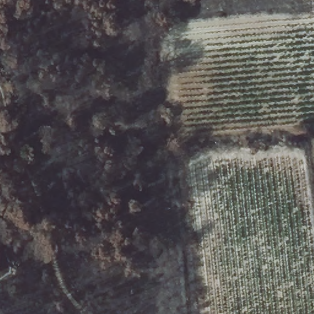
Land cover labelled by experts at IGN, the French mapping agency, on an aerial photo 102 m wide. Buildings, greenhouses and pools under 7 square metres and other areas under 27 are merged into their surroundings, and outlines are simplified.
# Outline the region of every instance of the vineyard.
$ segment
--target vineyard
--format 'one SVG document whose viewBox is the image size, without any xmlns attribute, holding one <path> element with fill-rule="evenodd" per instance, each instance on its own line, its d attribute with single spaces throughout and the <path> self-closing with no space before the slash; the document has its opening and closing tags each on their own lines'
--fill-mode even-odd
<svg viewBox="0 0 314 314">
<path fill-rule="evenodd" d="M 286 140 L 297 145 L 297 148 L 275 145 L 269 151 L 258 152 L 249 147 L 233 148 L 231 152 L 209 151 L 190 159 L 189 164 L 189 175 L 186 180 L 193 189 L 194 207 L 193 211 L 186 215 L 185 220 L 189 226 L 194 227 L 201 238 L 202 266 L 199 270 L 207 288 L 206 301 L 213 301 L 209 307 L 201 309 L 201 314 L 314 314 L 314 11 L 299 15 L 256 13 L 191 20 L 188 23 L 188 31 L 182 33 L 182 38 L 190 39 L 191 43 L 201 44 L 205 49 L 204 56 L 197 59 L 196 65 L 186 67 L 186 72 L 170 76 L 167 98 L 170 102 L 182 103 L 183 112 L 180 119 L 183 130 L 212 128 L 212 135 L 227 135 L 245 131 L 271 134 L 272 131 L 280 129 L 291 132 L 292 135 Z"/>
</svg>

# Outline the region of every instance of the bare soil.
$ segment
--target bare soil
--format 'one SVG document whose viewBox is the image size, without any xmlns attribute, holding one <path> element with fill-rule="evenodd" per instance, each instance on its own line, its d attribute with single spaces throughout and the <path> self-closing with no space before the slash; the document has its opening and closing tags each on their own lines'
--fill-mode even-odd
<svg viewBox="0 0 314 314">
<path fill-rule="evenodd" d="M 97 267 L 78 266 L 67 251 L 65 254 L 55 254 L 49 262 L 44 262 L 25 254 L 26 249 L 21 245 L 17 251 L 13 251 L 9 245 L 1 242 L 0 235 L 0 314 L 201 314 L 201 309 L 209 307 L 213 301 L 206 301 L 207 288 L 199 270 L 202 266 L 201 238 L 194 227 L 189 226 L 185 220 L 186 215 L 193 211 L 194 207 L 193 189 L 186 180 L 189 175 L 189 164 L 180 167 L 178 178 L 168 178 L 167 162 L 164 159 L 158 159 L 156 155 L 144 156 L 142 178 L 146 186 L 146 197 L 140 202 L 140 220 L 150 224 L 158 242 L 166 245 L 168 249 L 156 260 L 158 267 L 150 269 L 150 274 L 132 278 L 120 275 L 102 278 Z"/>
<path fill-rule="evenodd" d="M 66 92 L 61 83 L 52 86 L 38 77 L 36 81 L 28 81 L 25 74 L 18 75 L 16 70 L 11 69 L 0 58 L 0 112 L 5 115 L 6 121 L 17 121 L 17 128 L 7 132 L 7 135 L 11 137 L 12 144 L 17 144 L 18 141 L 36 140 L 37 137 L 42 139 L 42 126 L 59 124 L 67 115 L 81 120 L 82 123 L 93 119 L 94 115 L 107 121 L 113 118 L 115 108 L 121 108 L 130 117 L 128 124 L 132 124 L 142 114 L 161 107 L 167 98 L 170 76 L 186 72 L 186 67 L 196 65 L 197 59 L 204 56 L 205 49 L 201 44 L 191 43 L 190 39 L 182 38 L 182 33 L 188 31 L 188 23 L 191 20 L 256 13 L 299 15 L 314 11 L 314 0 L 123 0 L 118 12 L 119 28 L 114 31 L 109 21 L 104 22 L 105 32 L 109 36 L 104 40 L 101 54 L 118 70 L 118 80 L 114 82 L 112 97 L 104 98 L 94 94 L 87 85 Z"/>
</svg>

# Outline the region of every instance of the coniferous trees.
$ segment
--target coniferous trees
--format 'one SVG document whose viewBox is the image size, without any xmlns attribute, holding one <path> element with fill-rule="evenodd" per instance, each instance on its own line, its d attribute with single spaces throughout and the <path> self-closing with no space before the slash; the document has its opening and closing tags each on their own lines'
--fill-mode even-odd
<svg viewBox="0 0 314 314">
<path fill-rule="evenodd" d="M 25 74 L 28 81 L 36 81 L 38 77 L 52 86 L 61 83 L 66 92 L 87 85 L 94 94 L 104 98 L 112 97 L 114 82 L 118 80 L 118 70 L 101 54 L 104 40 L 109 36 L 105 32 L 104 22 L 109 21 L 114 31 L 119 28 L 118 12 L 123 0 L 0 0 L 0 58 L 11 69 L 16 70 L 18 75 Z"/>
<path fill-rule="evenodd" d="M 18 141 L 17 144 L 12 144 L 11 137 L 7 135 L 7 132 L 17 128 L 17 121 L 6 121 L 5 115 L 0 112 L 0 235 L 1 242 L 9 245 L 13 251 L 17 251 L 21 245 L 26 249 L 25 254 L 44 262 L 49 262 L 55 254 L 65 254 L 67 251 L 78 266 L 97 267 L 102 278 L 120 275 L 132 278 L 150 274 L 150 269 L 158 267 L 156 260 L 168 249 L 166 245 L 158 242 L 150 224 L 140 220 L 140 202 L 146 197 L 146 186 L 142 178 L 144 156 L 156 155 L 158 159 L 164 159 L 167 162 L 168 178 L 178 178 L 180 167 L 189 164 L 190 159 L 209 151 L 231 152 L 233 148 L 249 147 L 258 152 L 269 151 L 275 145 L 297 148 L 297 145 L 286 140 L 292 135 L 291 132 L 280 129 L 272 131 L 271 134 L 245 131 L 227 135 L 212 135 L 212 128 L 183 130 L 180 119 L 183 112 L 182 103 L 170 102 L 167 98 L 161 107 L 142 114 L 132 124 L 128 124 L 130 117 L 121 108 L 115 108 L 113 118 L 107 121 L 94 115 L 93 119 L 82 123 L 81 120 L 67 115 L 59 124 L 42 126 L 42 139 L 37 137 L 36 140 Z"/>
</svg>

